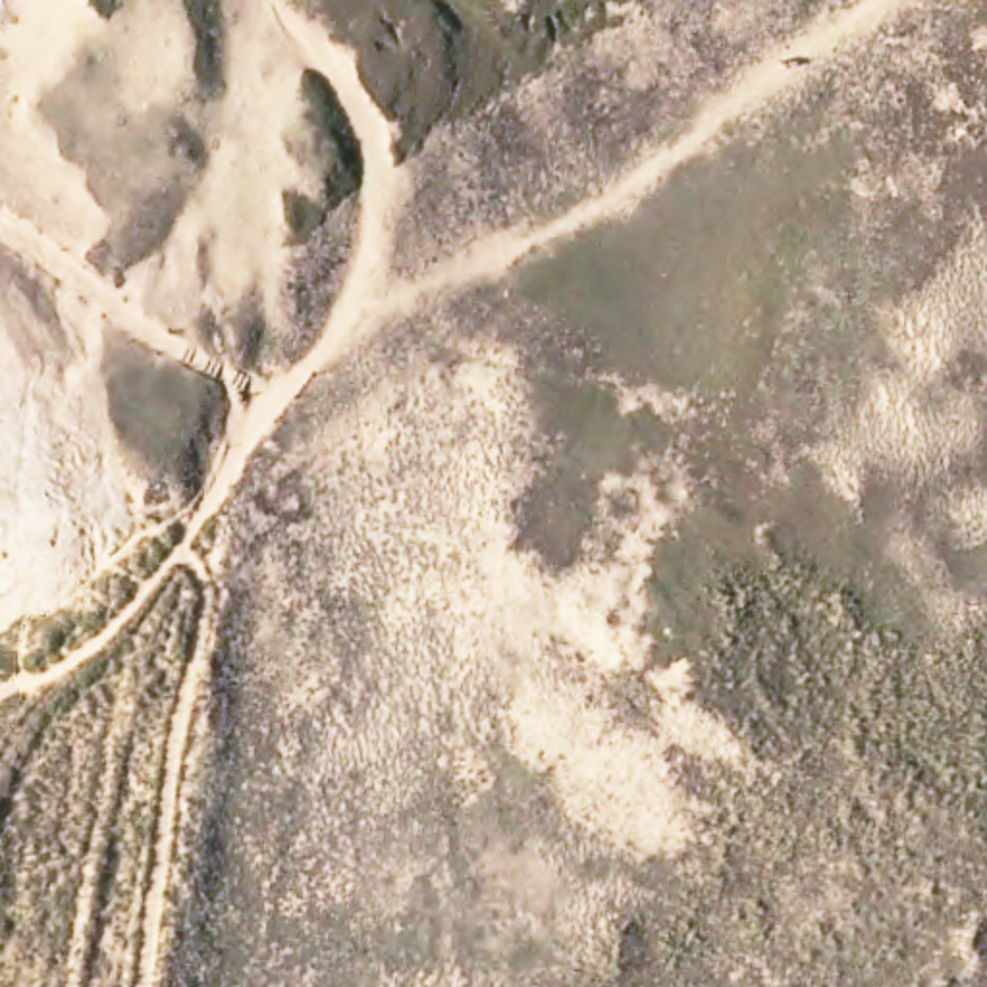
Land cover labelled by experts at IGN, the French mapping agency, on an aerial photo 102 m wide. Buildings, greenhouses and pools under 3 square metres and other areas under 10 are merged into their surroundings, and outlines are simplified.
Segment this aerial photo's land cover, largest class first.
<instances>
[{"label":"bare soil","instance_id":"1","mask_svg":"<svg viewBox=\"0 0 987 987\"><path fill-rule=\"evenodd\" d=\"M96 12L77 27V62L62 73V81L39 93L35 112L54 131L62 158L85 173L89 197L108 216V231L89 251V266L100 278H112V285H127V274L166 247L177 216L204 181L208 150L200 135L220 112V96L227 89L220 0H89ZM856 0H617L609 4V15H621L625 27H605L594 35V42L582 46L555 42L544 73L524 77L517 89H501L467 120L440 123L424 139V147L401 162L413 181V197L401 204L393 224L389 274L409 281L455 258V251H470L490 231H505L513 224L540 227L590 197H601L625 166L640 162L644 143L667 147L679 135H686L706 96H721L733 85V73L760 66L767 46L802 35L817 12H848ZM798 69L810 85H833V104L825 108L817 135H806V150H821L837 131H852V197L921 200V212L929 220H941V170L960 166L972 147L987 143V0H925V8H902L898 19H883L879 27H871L864 39H856L852 50L837 46L829 62L802 54ZM305 116L281 135L285 154L301 166L297 181L281 197L289 220L293 281L278 305H270L258 320L243 324V370H254L262 359L293 366L316 347L335 297L343 293V274L359 243L362 150L332 81L308 69L301 81ZM802 89H779L775 96H767L760 112L721 123L717 147L760 143L767 135V116L798 100ZM972 239L952 251V258L918 297H902L879 308V332L887 335V347L902 359V366L891 378L867 386L871 397L860 401V413L852 405H829L817 443L802 447L806 459L821 467L825 486L844 501H856L860 486L871 482H887L894 490L887 520V555L906 571L929 617L937 621L925 632L921 648L906 644L902 628L883 632L879 601H871L856 586H844L833 563H817L802 544H783L779 532H767L763 524H752L756 555L748 563H733V574L721 578L709 628L698 636L679 632L667 609L648 594V574L652 547L663 536V524L679 520L690 501V436H675L659 455H644L632 474L601 478L594 501V528L582 540L578 567H571L567 574L540 571L536 551H513L509 501L532 486V455H559V447H551L547 436L536 428V409L528 405V389H536L547 378L540 347L547 339L555 308L524 301L509 270L494 281L467 285L459 293H420L409 316H386L378 332L351 343L328 366H320L297 389L293 405L278 416L274 432L258 440L224 505L193 536L197 555L212 551L216 536L231 544L216 578L200 582L193 567L181 563L100 655H93L66 682L39 690L31 679L35 671H46L62 659L66 648H77L81 640L96 636L135 598V586L162 567L166 555L177 551L185 524L193 520L204 494L212 440L227 432V389L220 374L173 362L166 351H154L150 343L135 339L127 328H116L104 335L100 374L73 401L77 428L66 432L54 416V397L66 389V370L85 355V335L73 324H62V278L46 274L39 262H23L15 251L0 243V987H139L147 906L158 867L170 733L197 652L200 621L216 628V652L208 663V690L193 702L189 713L181 767L173 783V798L189 810L173 814L170 864L181 867V879L166 891L162 929H170L173 937L162 964V987H987V474L975 451L979 413L968 393L948 386L941 366L956 351L987 355V216H972ZM601 386L617 393L621 413L652 409L663 420L686 416V393H671L659 386H628L625 374L601 370Z\"/></svg>","mask_w":987,"mask_h":987},{"label":"herbaceous vegetation","instance_id":"2","mask_svg":"<svg viewBox=\"0 0 987 987\"><path fill-rule=\"evenodd\" d=\"M609 4L617 0H316L332 42L355 50L362 89L382 108V116L397 123L393 162H401L424 147V139L440 123L467 120L501 89H517L524 77L544 73L555 42L582 46L594 42V35L605 27H625L621 15H609ZM833 104V85H810L802 89L798 100L767 116V135L760 143L717 147L713 154H694L679 162L636 204L632 216L598 220L559 239L551 254L517 258L509 270L524 301L555 308L547 339L540 347L547 378L536 389H528V405L536 409V428L547 436L551 447H559V455H532V486L509 501L513 551H536L540 571L567 574L571 567H578L582 540L594 528V501L601 478L632 474L644 455H659L675 436H690V501L679 520L663 524V536L652 547L648 574V594L667 609L679 632L698 636L709 628L721 578L733 574V563H748L756 555L752 524H763L767 532H779L783 544H802L817 563H833L844 586H856L871 601H879L883 632L902 628L906 644L921 648L925 632L937 621L929 617L906 571L887 555V520L894 490L887 482H871L860 486L856 501H844L825 486L821 467L806 459L802 447L817 443L829 405H852L860 413V401L871 397L867 386L891 378L902 366V359L887 347V335L879 332V308L902 297H918L952 258V251L972 239V216H987V143L972 147L960 166L941 170V220H929L921 212V200L852 197V131H837L821 150H806V135H817L825 108ZM601 370L625 374L628 386H659L671 393H686V416L663 420L652 409L621 413L617 393L601 386ZM948 386L968 393L979 413L975 451L987 474V355L956 351L941 366Z\"/></svg>","mask_w":987,"mask_h":987},{"label":"pervious surface","instance_id":"3","mask_svg":"<svg viewBox=\"0 0 987 987\"><path fill-rule=\"evenodd\" d=\"M902 8H925V0H856L848 12H817L802 35L767 46L760 66L733 73V85L721 96H706L686 135H679L667 147L644 143L640 162L625 166L601 197H590L540 227L513 224L505 231H490L470 251H455V258L409 281L389 274L393 224L401 204L413 197V181L401 162H393L397 123L382 116V108L362 89L355 50L332 42L316 0H220L227 89L220 96V112L200 135L208 150L204 181L177 216L166 247L127 274V285H112V278H100L89 266V251L108 231V216L89 197L85 173L62 158L54 131L35 112L39 93L62 81V73L77 62V27L96 12L89 0H0V243L15 251L23 262H39L46 274L62 278V324H73L85 335V355L66 370V389L54 397V416L66 432L77 428L73 401L100 374L104 335L116 328H127L135 339L150 343L154 351H166L173 362L220 374L227 389V432L212 440L204 494L193 520L185 524L177 551L166 555L162 567L135 586V598L96 636L81 640L77 648H66L62 659L46 671H35L31 679L39 690L66 682L93 655H100L181 563L193 567L200 582L216 578L231 544L216 536L212 551L197 555L193 536L224 505L258 440L274 432L278 416L293 405L297 389L320 366H328L351 343L378 332L386 316H409L420 293H459L467 285L494 281L509 270L517 258L551 254L559 239L598 220L632 216L636 204L679 162L694 154H713L717 147L721 123L760 112L767 96H775L779 89H802L810 85L798 69L802 54L829 62L837 46L852 50L856 39H864L871 27H879L883 19H898ZM308 69L332 81L362 150L359 243L343 274V293L335 297L316 347L293 366L262 359L254 370H243V324L258 320L270 305H278L293 281L289 220L281 197L297 181L301 166L285 154L281 135L305 116L301 81ZM216 652V628L200 621L197 652L170 733L158 867L147 906L139 987H162V964L173 937L170 929H162L166 891L181 879V867L170 864L173 814L189 810L173 798V783L181 767L189 713L193 702L208 690V663Z\"/></svg>","mask_w":987,"mask_h":987}]
</instances>
